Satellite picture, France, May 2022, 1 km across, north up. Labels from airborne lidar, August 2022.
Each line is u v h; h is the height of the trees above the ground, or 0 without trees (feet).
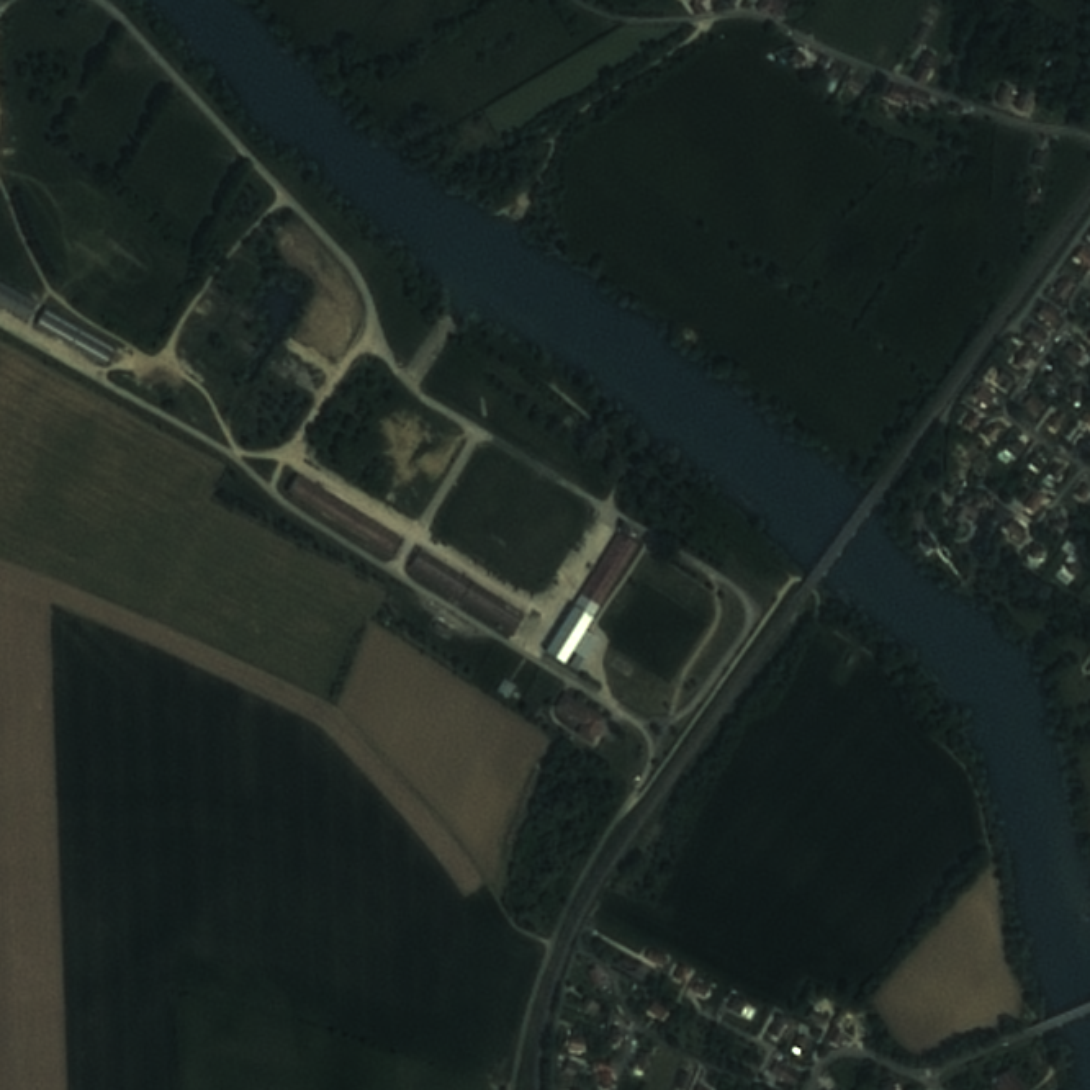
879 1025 31
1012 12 61
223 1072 0
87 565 0
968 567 35
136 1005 0
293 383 0
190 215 0
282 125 0
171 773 0
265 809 0
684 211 0
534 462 0
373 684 0
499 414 0
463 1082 0
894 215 0
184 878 0
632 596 0
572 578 0
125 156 46
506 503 0
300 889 0
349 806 0
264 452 0
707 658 0
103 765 0
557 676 0
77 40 0
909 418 29
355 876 0
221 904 0
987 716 0
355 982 0
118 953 0
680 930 0
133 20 0
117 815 0
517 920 27
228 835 0
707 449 0
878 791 0
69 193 0
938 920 41
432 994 0
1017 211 0
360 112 66
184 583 0
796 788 0
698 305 0
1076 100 62
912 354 0
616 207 0
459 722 0
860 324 25
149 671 0
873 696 0
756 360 0
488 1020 0
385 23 0
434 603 0
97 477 0
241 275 0
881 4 0
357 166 0
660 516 45
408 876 0
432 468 0
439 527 0
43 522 0
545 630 0
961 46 50
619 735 75
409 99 0
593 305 0
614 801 41
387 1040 0
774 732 0
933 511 39
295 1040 0
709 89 0
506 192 44
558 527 0
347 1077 0
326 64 73
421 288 21
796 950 0
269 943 0
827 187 0
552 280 0
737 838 0
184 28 0
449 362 0
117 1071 0
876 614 0
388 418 0
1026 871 0
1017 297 0
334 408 29
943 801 0
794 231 0
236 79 0
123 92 0
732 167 0
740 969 0
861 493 0
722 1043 23
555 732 23
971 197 0
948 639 0
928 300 0
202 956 0
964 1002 0
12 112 0
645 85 22
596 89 26
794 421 30
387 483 0
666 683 0
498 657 0
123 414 0
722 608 0
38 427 0
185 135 0
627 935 0
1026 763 0
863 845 0
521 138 55
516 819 0
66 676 0
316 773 0
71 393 0
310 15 0
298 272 24
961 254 0
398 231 0
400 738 0
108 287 0
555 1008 28
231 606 0
